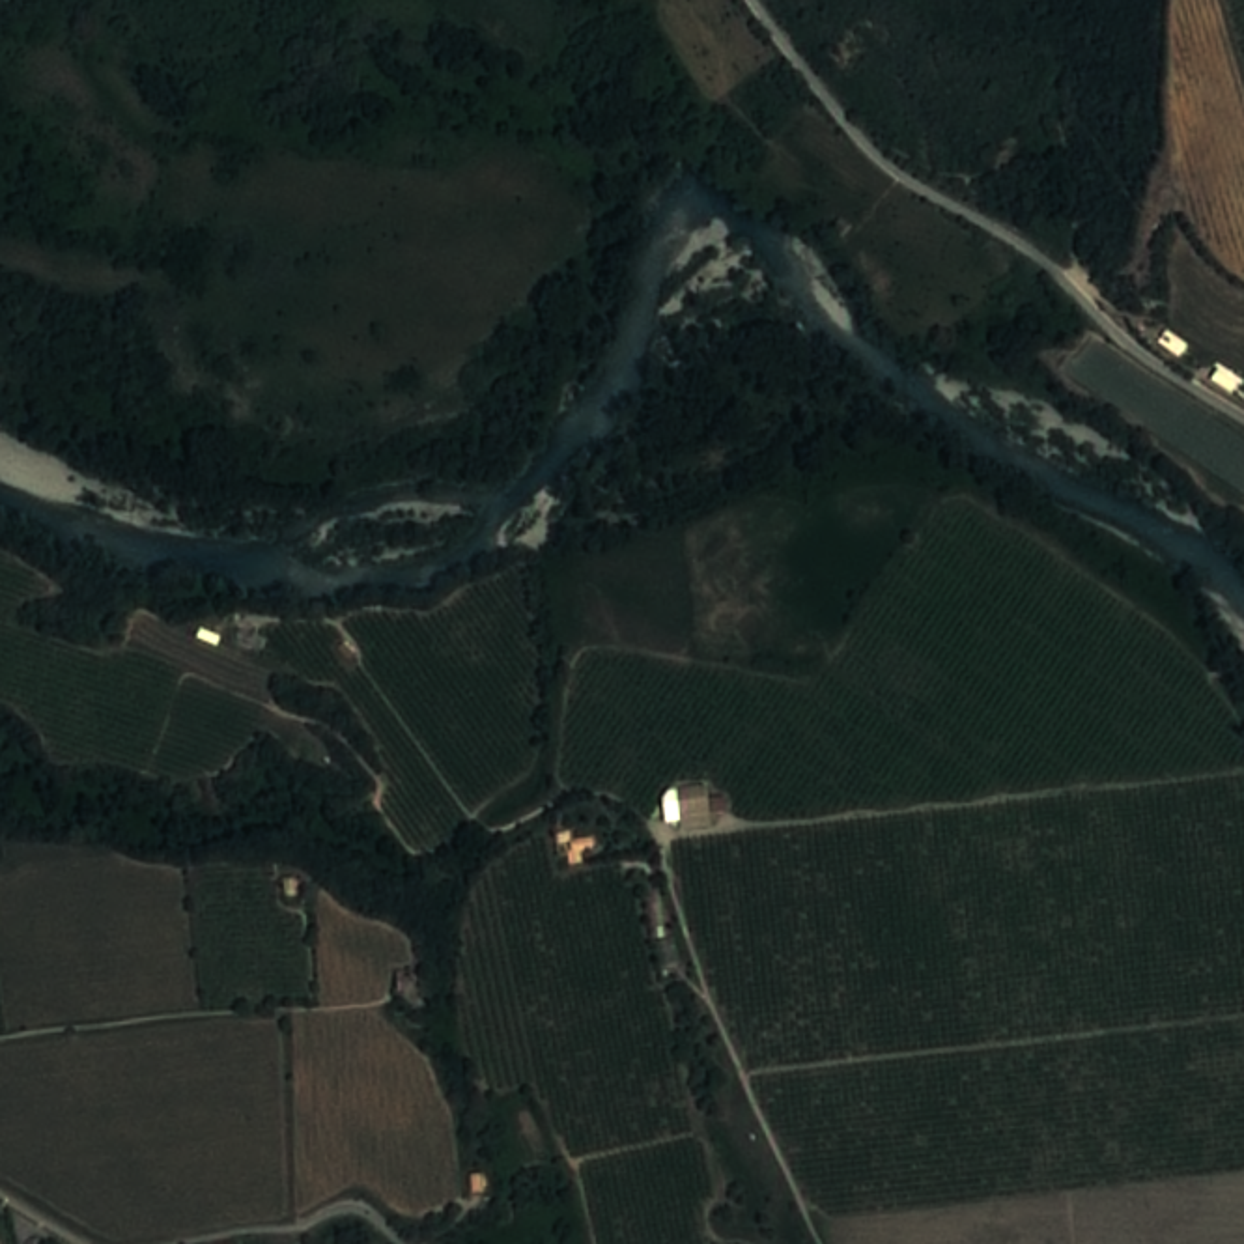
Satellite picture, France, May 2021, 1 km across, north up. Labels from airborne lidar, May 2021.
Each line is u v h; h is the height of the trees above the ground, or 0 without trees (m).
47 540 19
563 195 0
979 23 6
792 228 16
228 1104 0
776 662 6
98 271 0
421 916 12
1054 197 15
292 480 0
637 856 14
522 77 9
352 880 12
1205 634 26
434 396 0
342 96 15
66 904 0
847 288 10
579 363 8
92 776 12
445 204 0
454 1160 0
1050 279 10
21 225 12
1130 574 9
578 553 18
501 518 0
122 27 7
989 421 7
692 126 11
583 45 12
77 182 6
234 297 0
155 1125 0
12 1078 0
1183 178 0
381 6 0
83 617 14
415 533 21
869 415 26
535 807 0
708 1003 0
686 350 25
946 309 0
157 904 0
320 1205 0
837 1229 0
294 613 15
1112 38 7
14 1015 0
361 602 13
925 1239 0
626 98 24
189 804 18
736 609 0
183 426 8
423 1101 0
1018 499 19
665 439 25
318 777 13
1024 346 20
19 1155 0
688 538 0
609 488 23
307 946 9
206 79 7
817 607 0
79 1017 0
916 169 11
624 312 27
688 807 0
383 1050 0
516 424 9
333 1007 0
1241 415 0
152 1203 0
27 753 9
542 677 12
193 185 0
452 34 13
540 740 14
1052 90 8
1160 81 10
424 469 6
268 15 10
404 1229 7
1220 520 12
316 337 0
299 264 8
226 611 7
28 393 6
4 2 6
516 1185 12
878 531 0
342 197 0
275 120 7
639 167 11
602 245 14
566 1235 10
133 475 23
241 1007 14
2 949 0
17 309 10
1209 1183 0
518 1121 0
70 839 11
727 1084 11
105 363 11
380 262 0
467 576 16
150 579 13
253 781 14
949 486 5
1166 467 17
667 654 0
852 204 0
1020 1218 0
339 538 6
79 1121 0
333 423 0
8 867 0
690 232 0
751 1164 0
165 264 11
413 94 17
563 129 15
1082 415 7
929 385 0
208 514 15
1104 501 0
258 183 0
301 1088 0
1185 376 8
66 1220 0
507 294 0
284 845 16
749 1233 0
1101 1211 0
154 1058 0
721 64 0
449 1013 6
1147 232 0
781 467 6
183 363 0
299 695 12
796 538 0
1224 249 0
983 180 7
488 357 7
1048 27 8
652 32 11
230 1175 0
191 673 0
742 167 11
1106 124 9
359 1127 0
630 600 0
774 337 31
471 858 9
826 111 10
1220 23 0
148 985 0
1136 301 11
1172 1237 0
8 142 8
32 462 0
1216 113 0
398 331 0
